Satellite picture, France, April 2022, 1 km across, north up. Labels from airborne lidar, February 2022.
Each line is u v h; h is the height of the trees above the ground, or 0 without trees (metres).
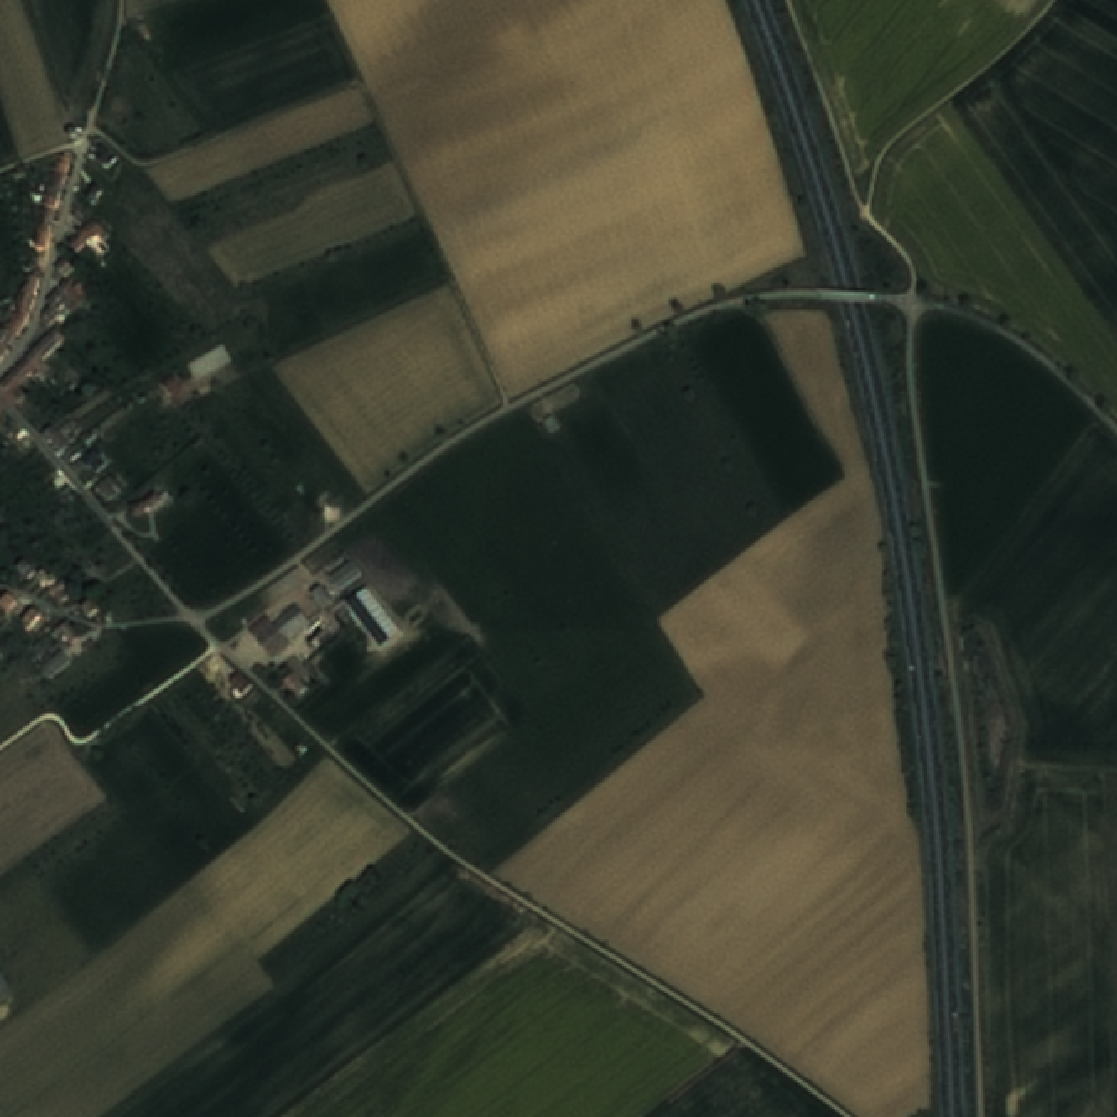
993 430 0
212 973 0
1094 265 0
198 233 14
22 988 0
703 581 0
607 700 0
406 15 0
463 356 0
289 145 0
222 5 0
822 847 0
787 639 0
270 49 0
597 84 0
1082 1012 0
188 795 0
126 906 0
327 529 0
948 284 0
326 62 0
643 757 0
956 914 0
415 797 0
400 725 0
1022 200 0
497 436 0
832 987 0
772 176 0
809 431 0
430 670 0
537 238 0
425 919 0
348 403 0
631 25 0
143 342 0
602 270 0
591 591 0
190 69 0
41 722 0
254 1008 0
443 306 0
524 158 0
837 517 0
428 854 0
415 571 0
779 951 0
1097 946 0
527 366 0
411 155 0
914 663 0
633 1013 0
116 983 0
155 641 0
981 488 0
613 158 0
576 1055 0
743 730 0
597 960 0
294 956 0
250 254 0
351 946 0
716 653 0
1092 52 0
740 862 0
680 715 0
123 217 0
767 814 0
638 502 0
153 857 0
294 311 0
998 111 0
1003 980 0
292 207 0
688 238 0
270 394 0
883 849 0
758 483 0
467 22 0
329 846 0
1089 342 0
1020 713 0
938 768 0
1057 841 0
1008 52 0
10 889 0
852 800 0
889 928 0
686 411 0
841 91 0
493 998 0
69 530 10
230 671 0
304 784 0
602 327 0
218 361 0
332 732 0
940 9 0
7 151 0
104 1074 0
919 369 0
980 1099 0
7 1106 0
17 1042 0
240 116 0
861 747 0
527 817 0
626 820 0
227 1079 0
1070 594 0
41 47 0
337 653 0
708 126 0
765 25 0
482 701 0
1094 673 0
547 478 0
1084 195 0
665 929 0
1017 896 0
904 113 0
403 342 0
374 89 0
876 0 0
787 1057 0
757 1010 0
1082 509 0
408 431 0
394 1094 0
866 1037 0
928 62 0
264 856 0
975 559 0
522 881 0
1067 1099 0
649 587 0
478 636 0
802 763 0
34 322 0
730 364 0
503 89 0
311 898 0
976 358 0
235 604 0
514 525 0
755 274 0
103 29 0
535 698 0
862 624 0
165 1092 0
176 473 0
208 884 0
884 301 0
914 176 0
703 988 0
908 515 0
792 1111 0
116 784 0
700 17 0
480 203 0
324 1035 0
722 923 0
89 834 0
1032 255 0
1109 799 0
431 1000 0
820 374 0
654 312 0
